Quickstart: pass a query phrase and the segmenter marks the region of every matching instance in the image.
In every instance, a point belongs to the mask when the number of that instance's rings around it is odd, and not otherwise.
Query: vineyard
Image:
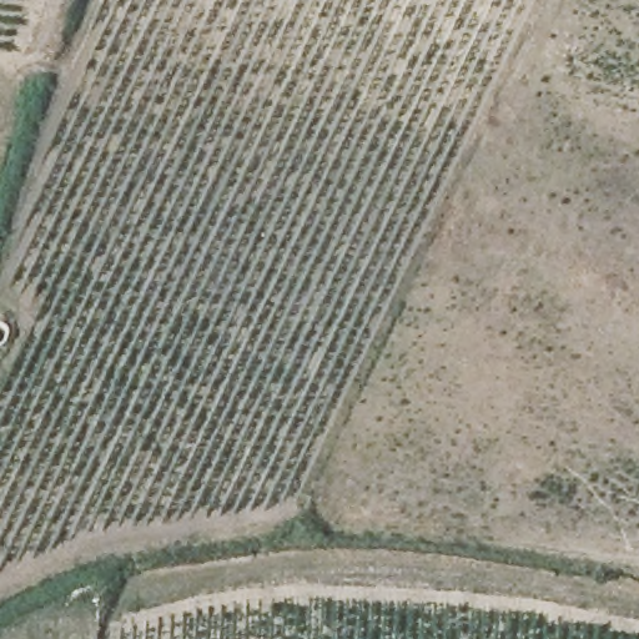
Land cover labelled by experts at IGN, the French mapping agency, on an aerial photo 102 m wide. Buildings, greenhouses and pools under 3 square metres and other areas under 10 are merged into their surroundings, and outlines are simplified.
[[[15,135],[15,100],[20,95],[22,80],[30,77],[30,72],[20,67],[10,55],[10,50],[15,50],[17,27],[25,25],[25,7],[5,5],[2,0],[0,0],[0,132],[5,130],[7,135]]]
[[[295,582],[280,587],[265,584],[215,594],[197,594],[182,602],[120,614],[110,622],[107,639],[639,639],[639,619],[619,617],[604,609],[562,607],[527,597],[439,592],[429,584],[327,587]]]
[[[417,230],[427,220],[429,205],[439,192],[439,185],[469,125],[477,117],[484,90],[502,62],[504,47],[514,50],[522,27],[534,22],[534,0],[90,0],[82,27],[72,45],[70,57],[62,60],[57,72],[57,90],[52,95],[47,120],[40,130],[27,182],[22,187],[20,205],[12,220],[12,232],[0,242],[0,569],[10,562],[22,559],[25,554],[42,554],[47,549],[57,549],[67,539],[75,539],[80,532],[92,532],[102,517],[105,527],[112,527],[127,519],[170,522],[200,509],[210,514],[227,514],[257,507],[270,509],[280,502],[287,472],[295,472],[290,494],[300,489],[300,479],[307,469],[315,439],[324,432],[344,384],[357,387],[362,392],[367,389],[377,369],[377,362],[382,359],[382,349],[392,339],[394,327],[402,322],[407,302],[397,300],[402,285],[402,280],[397,280],[399,265],[414,242]]]

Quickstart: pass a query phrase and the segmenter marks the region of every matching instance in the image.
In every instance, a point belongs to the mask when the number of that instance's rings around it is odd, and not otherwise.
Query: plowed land
[[[15,50],[10,50],[10,55],[20,67],[30,72],[30,77],[22,80],[20,95],[15,100],[15,135],[7,135],[5,130],[0,132],[0,242],[12,232],[12,220],[20,205],[22,187],[27,182],[40,130],[47,120],[52,95],[57,90],[57,72],[62,60],[70,57],[72,45],[62,40],[62,27],[65,12],[72,5],[72,0],[2,0],[5,5],[25,7],[25,25],[17,27]]]
[[[10,594],[22,592],[25,587],[37,584],[50,574],[72,569],[75,564],[95,562],[110,554],[122,557],[162,549],[170,544],[200,547],[225,539],[260,537],[272,532],[275,524],[297,517],[300,512],[292,497],[280,502],[270,509],[257,507],[227,514],[210,514],[200,509],[170,522],[127,519],[112,527],[105,527],[102,517],[92,532],[80,532],[75,539],[67,539],[57,549],[47,549],[42,554],[25,554],[22,559],[10,562],[0,569],[0,602]]]

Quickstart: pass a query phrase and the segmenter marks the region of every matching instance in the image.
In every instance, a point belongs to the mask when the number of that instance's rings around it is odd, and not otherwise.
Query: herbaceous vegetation
[[[42,612],[25,617],[20,627],[7,627],[0,632],[0,639],[107,639],[110,622],[120,614],[182,602],[197,594],[215,594],[265,584],[280,587],[295,582],[327,587],[429,584],[439,592],[527,597],[562,607],[604,609],[619,617],[639,619],[639,584],[627,579],[594,582],[589,577],[562,577],[547,569],[512,567],[449,554],[414,554],[389,549],[285,549],[210,559],[200,564],[147,569],[127,579],[127,587],[117,602],[117,612],[102,602],[105,592],[100,587],[82,584],[72,589],[67,599],[62,599],[62,609],[47,604]]]
[[[417,230],[414,242],[399,265],[397,280],[402,280],[402,285],[397,300],[407,302],[402,322],[394,327],[392,339],[382,349],[382,359],[377,362],[377,369],[367,389],[362,392],[357,387],[344,384],[324,432],[315,439],[307,469],[300,479],[300,489],[290,494],[295,472],[287,472],[280,502],[292,497],[300,512],[317,509],[334,532],[399,532],[404,537],[429,537],[439,542],[479,539],[479,544],[487,547],[529,549],[567,559],[592,559],[609,567],[639,567],[639,0],[534,0],[534,22],[522,27],[514,50],[504,47],[502,62],[484,90],[477,117],[469,125],[439,185],[439,192],[429,205],[427,220]]]

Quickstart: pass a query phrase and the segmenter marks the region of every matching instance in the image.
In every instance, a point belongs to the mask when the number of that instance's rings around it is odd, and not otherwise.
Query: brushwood
[[[122,557],[110,554],[95,562],[75,564],[72,569],[50,574],[37,584],[25,587],[22,592],[10,594],[0,602],[0,632],[7,627],[20,627],[25,617],[42,612],[47,604],[62,609],[62,599],[67,599],[72,589],[82,584],[100,587],[105,592],[102,602],[117,612],[117,602],[127,587],[127,579],[147,569],[200,564],[210,559],[285,549],[389,549],[414,554],[449,554],[512,567],[547,569],[562,577],[589,577],[594,582],[627,579],[639,584],[639,567],[609,567],[592,559],[567,559],[529,549],[487,547],[479,544],[479,539],[439,542],[429,537],[404,537],[399,532],[334,532],[317,509],[300,512],[297,517],[275,524],[272,532],[260,537],[225,539],[200,547],[170,544],[162,549]]]
[[[62,27],[62,40],[72,45],[82,27],[90,0],[72,0],[72,5],[65,12]]]

